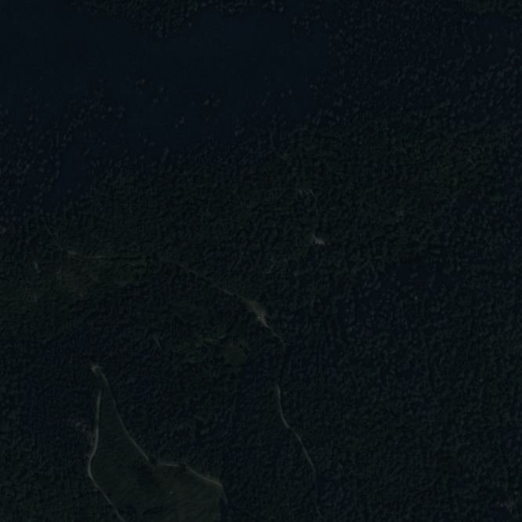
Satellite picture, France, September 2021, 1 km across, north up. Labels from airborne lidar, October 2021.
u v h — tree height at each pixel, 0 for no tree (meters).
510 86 35
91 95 32
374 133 20
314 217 20
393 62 17
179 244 24
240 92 33
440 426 17
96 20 22
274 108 14
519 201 22
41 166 28
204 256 19
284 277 6
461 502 16
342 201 23
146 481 6
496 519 8
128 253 14
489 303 30
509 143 7
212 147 22
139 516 21
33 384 27
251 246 33
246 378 25
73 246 15
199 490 0
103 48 23
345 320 30
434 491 15
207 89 15
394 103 17
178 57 10
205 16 22
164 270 17
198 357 22
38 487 25
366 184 13
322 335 15
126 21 22
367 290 9
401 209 8
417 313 16
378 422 12
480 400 9
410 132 14
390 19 18
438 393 12
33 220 21
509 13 11
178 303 19
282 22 11
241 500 20
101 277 20
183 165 10
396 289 13
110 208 13
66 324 24
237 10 24
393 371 11
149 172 13
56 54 16
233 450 18
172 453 23
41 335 37
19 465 28
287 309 13
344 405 18
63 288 12
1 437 32
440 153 27
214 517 0
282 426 17
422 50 17
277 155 7
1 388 31
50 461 22
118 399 28
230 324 16
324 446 33
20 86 14
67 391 31
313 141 15
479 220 27
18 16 28
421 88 10
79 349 30
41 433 27
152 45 11
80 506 25
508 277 7
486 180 25
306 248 14
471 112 12
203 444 29
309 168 9
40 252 21
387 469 16
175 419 24
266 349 32
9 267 23
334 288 18
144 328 28
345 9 17
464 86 14
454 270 9
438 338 19
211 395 22
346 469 30
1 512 30
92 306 25
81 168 24
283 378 16
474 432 16
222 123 18
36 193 32
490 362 14
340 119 18
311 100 20
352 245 24
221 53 20
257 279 17
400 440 9
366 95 14
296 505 14
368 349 18
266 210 16
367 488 12
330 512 29
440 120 13
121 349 35
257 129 18
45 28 26
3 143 24
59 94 33
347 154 14
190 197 14
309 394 13
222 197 23
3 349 21
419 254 13
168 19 23
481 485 17
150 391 23
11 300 16
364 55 12
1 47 17
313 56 12
